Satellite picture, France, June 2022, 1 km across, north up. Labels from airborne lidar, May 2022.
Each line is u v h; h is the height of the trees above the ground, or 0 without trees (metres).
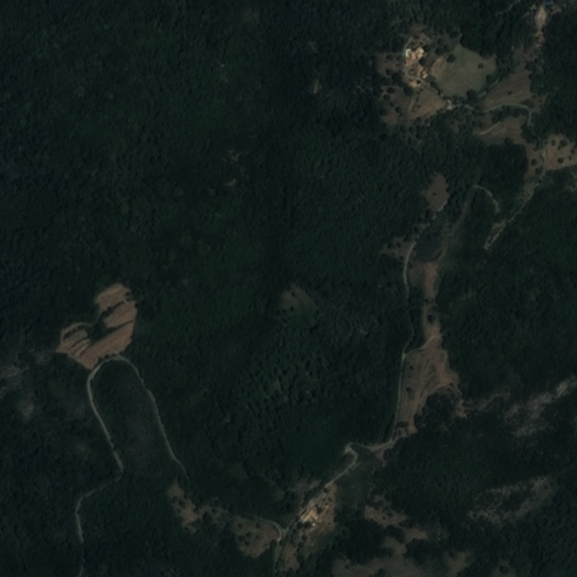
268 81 20
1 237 18
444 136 7
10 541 36
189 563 9
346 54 15
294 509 12
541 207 14
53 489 8
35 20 16
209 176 13
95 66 16
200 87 12
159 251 18
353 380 17
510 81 0
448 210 9
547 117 15
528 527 7
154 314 11
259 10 11
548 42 8
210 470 18
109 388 7
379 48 16
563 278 18
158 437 7
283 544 11
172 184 11
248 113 12
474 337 19
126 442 7
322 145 10
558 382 9
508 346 16
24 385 8
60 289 11
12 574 13
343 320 13
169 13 22
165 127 20
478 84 0
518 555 11
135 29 16
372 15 13
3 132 20
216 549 14
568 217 11
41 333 12
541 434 8
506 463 23
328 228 14
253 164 16
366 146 15
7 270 20
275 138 18
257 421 23
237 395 21
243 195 20
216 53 9
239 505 16
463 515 13
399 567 0
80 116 13
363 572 0
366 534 15
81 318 7
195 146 15
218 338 21
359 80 12
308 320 0
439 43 8
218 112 11
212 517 13
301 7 17
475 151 15
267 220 12
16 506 19
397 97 0
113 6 17
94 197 13
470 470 13
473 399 10
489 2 20
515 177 10
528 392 14
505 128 0
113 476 13
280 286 12
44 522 11
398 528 10
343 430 15
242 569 9
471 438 6
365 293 18
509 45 11
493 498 8
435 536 7
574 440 12
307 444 16
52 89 17
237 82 7
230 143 15
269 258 22
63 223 20
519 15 8
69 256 17
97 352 0
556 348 11
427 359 0
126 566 11
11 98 7
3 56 15
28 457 10
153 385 15
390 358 10
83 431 6
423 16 11
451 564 0
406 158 6
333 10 12
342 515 9
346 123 23
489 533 12
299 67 20
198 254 14
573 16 13
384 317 17
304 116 25
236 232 15
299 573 13
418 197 14
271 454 7
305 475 12
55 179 17
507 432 9
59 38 20
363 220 12
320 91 6
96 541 7
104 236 25
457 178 14
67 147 11
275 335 18
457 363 11
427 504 14
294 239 15
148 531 9
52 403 10
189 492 8
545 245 13
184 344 13
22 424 11
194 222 15
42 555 21
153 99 12
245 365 18
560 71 15
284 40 13
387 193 14
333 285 20
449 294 11
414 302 13
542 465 19
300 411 22
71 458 8
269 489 9
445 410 9
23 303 17
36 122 16
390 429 12
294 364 14
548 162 0
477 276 19
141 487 8
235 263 15
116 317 0
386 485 7
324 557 13
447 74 0
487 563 14
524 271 9
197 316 19
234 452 23
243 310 17
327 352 15
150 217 17
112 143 17
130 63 11
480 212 11
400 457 10
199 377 12
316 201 12
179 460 9
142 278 12
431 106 0
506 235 8
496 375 6
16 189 9
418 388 0
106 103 14
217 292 14
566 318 14
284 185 9
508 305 17
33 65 19
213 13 17
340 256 13
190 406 12
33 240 14
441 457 14
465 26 16
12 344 10
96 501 10
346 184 15
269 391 20
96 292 11
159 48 17
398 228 10
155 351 20
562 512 21
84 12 18
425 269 0
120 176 16
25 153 13
